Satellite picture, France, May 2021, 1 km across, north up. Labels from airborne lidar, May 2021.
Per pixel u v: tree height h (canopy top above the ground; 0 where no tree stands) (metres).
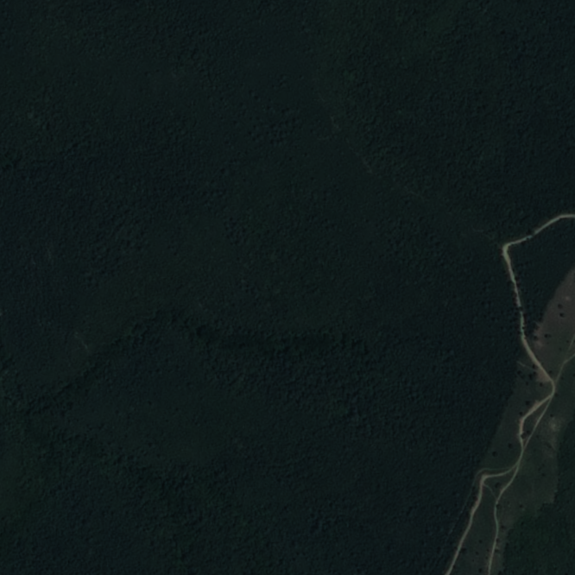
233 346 22
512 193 16
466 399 11
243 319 7
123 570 8
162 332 10
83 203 13
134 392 7
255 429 8
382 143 12
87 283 6
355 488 11
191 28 13
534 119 11
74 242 8
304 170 6
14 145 11
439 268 8
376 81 9
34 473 15
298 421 8
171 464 12
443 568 6
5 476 6
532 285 6
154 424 8
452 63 13
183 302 7
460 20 17
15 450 8
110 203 12
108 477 10
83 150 14
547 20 10
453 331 11
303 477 11
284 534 11
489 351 8
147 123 7
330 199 6
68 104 6
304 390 8
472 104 11
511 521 0
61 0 10
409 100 11
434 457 7
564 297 0
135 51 9
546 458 0
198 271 8
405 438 11
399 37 9
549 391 0
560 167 14
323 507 13
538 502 0
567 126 9
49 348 9
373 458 8
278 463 13
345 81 7
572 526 6
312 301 10
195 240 6
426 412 16
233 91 7
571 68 7
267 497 7
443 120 12
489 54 8
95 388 6
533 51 8
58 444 14
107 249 6
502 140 6
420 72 14
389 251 12
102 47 8
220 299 8
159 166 11
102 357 19
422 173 11
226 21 5
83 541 13
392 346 9
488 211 10
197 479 20
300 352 7
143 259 6
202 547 17
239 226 13
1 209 9
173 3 9
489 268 6
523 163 15
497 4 6
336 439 6
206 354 9
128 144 7
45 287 8
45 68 6
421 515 10
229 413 7
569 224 7
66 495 11
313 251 7
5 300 7
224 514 15
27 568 10
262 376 9
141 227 10
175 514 18
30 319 8
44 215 11
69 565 14
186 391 6
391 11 13
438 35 7
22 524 17
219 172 6
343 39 9
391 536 14
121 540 8
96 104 8
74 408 7
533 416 0
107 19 8
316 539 9
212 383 9
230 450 12
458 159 16
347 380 14
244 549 15
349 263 7
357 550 6
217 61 11
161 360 7
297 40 6
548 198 9
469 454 8
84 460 7
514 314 8
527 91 14
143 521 13
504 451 0
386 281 9
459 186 16
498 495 0
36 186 12
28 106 9
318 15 7
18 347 6
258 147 6
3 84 6
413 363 7
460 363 13
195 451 6
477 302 6
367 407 14
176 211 10
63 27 11
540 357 0
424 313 12
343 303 10
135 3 16
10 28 8
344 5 6
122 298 7
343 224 6
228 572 8
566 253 7
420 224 7
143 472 23
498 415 9
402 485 8
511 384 11
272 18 7
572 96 8
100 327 7
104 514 15
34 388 6
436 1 14
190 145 8
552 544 6
